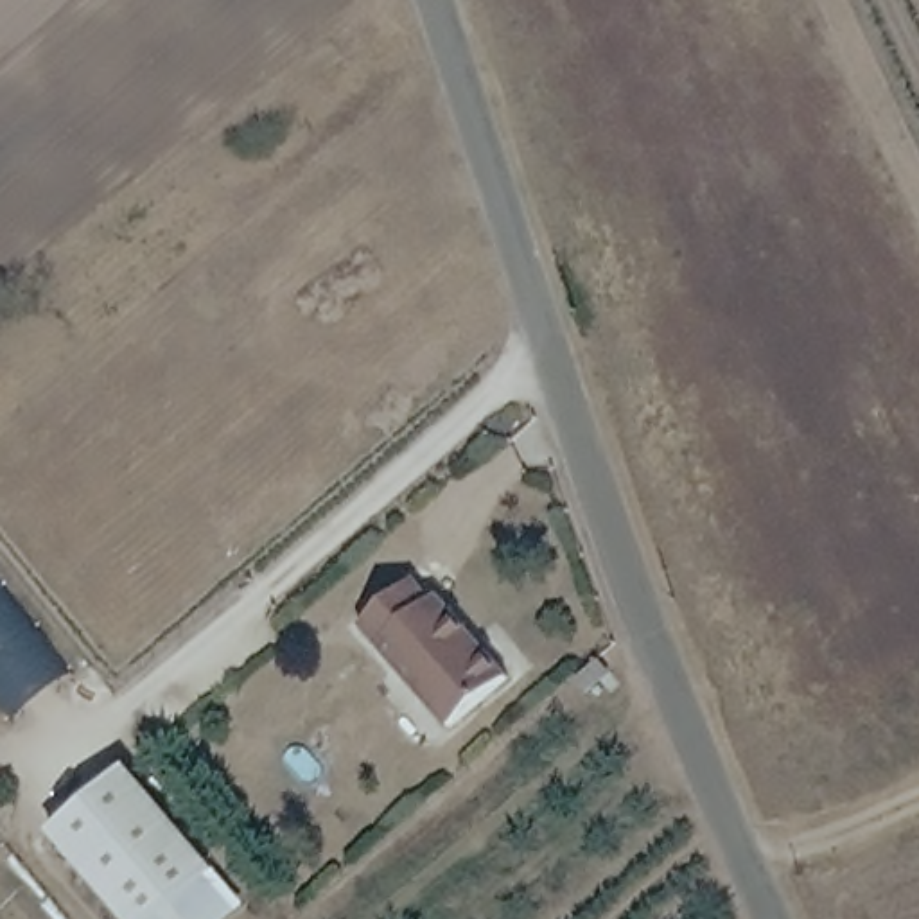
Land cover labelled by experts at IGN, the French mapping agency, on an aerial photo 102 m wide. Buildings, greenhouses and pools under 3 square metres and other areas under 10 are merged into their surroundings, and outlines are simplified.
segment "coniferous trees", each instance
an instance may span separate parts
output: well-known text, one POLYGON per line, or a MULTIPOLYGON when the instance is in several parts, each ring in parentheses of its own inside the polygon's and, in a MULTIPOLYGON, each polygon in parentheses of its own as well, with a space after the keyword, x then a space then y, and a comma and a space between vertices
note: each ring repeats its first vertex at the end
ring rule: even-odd
POLYGON ((280 858, 280 840, 273 836, 258 836, 255 829, 248 829, 248 818, 255 811, 248 804, 248 793, 230 775, 226 761, 212 750, 208 743, 194 740, 187 750, 172 754, 158 732, 147 736, 151 754, 136 768, 147 772, 147 779, 162 775, 158 790, 169 797, 172 811, 194 829, 194 836, 208 851, 226 847, 226 872, 219 876, 233 890, 237 883, 244 883, 248 890, 266 897, 284 894, 284 883, 294 876, 294 869, 280 858))

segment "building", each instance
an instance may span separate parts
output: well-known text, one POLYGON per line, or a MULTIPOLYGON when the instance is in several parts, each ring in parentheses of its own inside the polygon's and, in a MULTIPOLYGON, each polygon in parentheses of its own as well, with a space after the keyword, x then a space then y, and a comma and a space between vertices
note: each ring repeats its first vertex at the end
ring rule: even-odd
POLYGON ((567 714, 574 714, 592 696, 614 689, 614 675, 607 675, 596 664, 585 668, 556 686, 556 700, 567 714))
POLYGON ((68 865, 93 887, 93 894, 115 912, 115 919, 226 919, 241 905, 233 890, 219 876, 197 858, 197 851, 136 786, 136 779, 122 765, 111 765, 86 786, 79 786, 43 822, 43 833, 57 844, 68 865))
POLYGON ((43 686, 65 675, 65 657, 54 650, 50 635, 36 628, 32 614, 18 603, 18 596, 11 596, 0 585, 0 718, 18 714, 25 700, 32 700, 43 686))
POLYGON ((488 725, 503 704, 492 693, 488 678, 506 671, 506 661, 488 643, 488 635, 442 582, 420 574, 416 567, 409 567, 402 582, 381 589, 366 610, 355 610, 355 617, 359 632, 381 650, 381 657, 420 696, 420 704, 463 736, 477 725, 488 725))

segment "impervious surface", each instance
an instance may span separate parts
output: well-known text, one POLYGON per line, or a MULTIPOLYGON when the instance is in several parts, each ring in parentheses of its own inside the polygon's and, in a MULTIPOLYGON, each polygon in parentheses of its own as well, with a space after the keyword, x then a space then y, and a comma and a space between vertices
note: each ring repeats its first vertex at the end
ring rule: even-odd
POLYGON ((531 675, 528 657, 503 628, 492 628, 488 635, 488 643, 506 661, 506 671, 488 678, 492 693, 503 704, 531 675))
POLYGON ((381 650, 359 632, 355 617, 345 625, 345 635, 384 678, 388 700, 398 707, 398 718, 406 718, 416 729, 416 736, 424 736, 431 747, 460 740, 463 736, 420 704, 420 696, 381 657, 381 650))
POLYGON ((718 750, 707 736, 707 725, 700 718, 696 696, 678 664, 678 653, 671 646, 671 635, 661 621, 610 467, 596 445, 596 431, 571 366, 571 352, 560 334, 542 269, 535 262, 531 237, 452 0, 416 0, 434 57, 442 65, 442 79, 460 122, 460 136, 470 154, 474 179, 495 226, 499 255, 513 287, 517 319, 524 334, 560 442, 582 495, 582 510, 596 535, 603 574, 614 589, 621 621, 628 628, 632 650, 639 657, 643 675, 650 678, 661 718, 700 797, 707 826, 722 844, 732 876, 740 880, 750 919, 786 919, 786 908, 765 865, 754 844, 729 790, 718 750))

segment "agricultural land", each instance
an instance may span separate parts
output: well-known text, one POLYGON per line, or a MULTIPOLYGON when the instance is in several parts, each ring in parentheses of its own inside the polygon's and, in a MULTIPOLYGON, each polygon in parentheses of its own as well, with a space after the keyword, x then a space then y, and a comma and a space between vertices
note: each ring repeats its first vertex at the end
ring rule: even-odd
POLYGON ((79 661, 90 661, 111 693, 122 693, 129 682, 147 675, 169 650, 183 646, 197 628, 219 617, 241 596, 241 589, 248 589, 251 578, 273 567, 334 510, 341 510, 363 485, 370 485, 395 456, 402 456, 427 427, 434 427, 452 406, 460 406, 499 363, 499 355, 506 352, 506 337, 524 334, 517 319, 513 287, 499 255, 495 226, 474 179, 470 154, 460 136, 460 122, 442 79, 442 65, 434 57, 416 0, 0 0, 0 262, 22 262, 25 280, 50 276, 50 291, 39 294, 39 312, 25 319, 7 319, 0 327, 0 585, 11 596, 18 596, 18 603, 32 614, 36 628, 50 635, 54 650, 65 657, 65 675, 79 661), (248 115, 273 108, 280 108, 291 118, 284 144, 276 144, 266 158, 237 158, 226 147, 223 133, 244 122, 248 115))
POLYGON ((0 865, 0 919, 47 919, 36 897, 0 865))
POLYGON ((858 808, 862 797, 883 793, 905 772, 919 768, 919 0, 452 0, 531 237, 535 262, 542 269, 560 334, 571 352, 571 366, 596 431, 596 445, 610 467, 661 621, 671 635, 671 646, 678 653, 678 664, 696 696, 700 718, 707 725, 707 736, 718 750, 729 790, 754 844, 761 836, 775 840, 836 822, 858 808), (564 298, 564 284, 556 276, 560 262, 571 262, 578 284, 589 291, 592 327, 585 330, 578 330, 571 305, 564 298))
POLYGON ((858 847, 833 847, 804 862, 765 865, 786 908, 786 919, 919 919, 919 815, 901 829, 887 829, 858 847))

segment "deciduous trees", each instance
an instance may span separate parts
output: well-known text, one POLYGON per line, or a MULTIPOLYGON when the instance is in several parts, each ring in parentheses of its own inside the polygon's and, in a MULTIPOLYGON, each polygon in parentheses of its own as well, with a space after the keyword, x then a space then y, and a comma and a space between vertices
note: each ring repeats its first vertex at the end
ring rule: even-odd
POLYGON ((39 294, 50 291, 50 276, 25 280, 22 262, 0 262, 0 327, 7 319, 25 319, 39 312, 39 294))
POLYGON ((621 919, 736 919, 729 890, 707 876, 707 858, 689 854, 661 883, 643 890, 621 919))
POLYGON ((614 854, 621 847, 621 836, 635 833, 653 818, 653 790, 635 786, 625 793, 621 808, 585 822, 585 854, 614 854))
POLYGON ((294 876, 309 880, 309 872, 319 869, 327 858, 319 851, 323 833, 298 793, 284 793, 280 818, 287 829, 273 836, 280 840, 280 858, 294 869, 294 876))
POLYGON ((208 700, 205 693, 183 714, 169 718, 165 732, 158 732, 172 754, 187 750, 194 740, 208 743, 212 750, 230 736, 226 704, 208 700))
POLYGON ((546 635, 571 635, 571 607, 564 600, 542 600, 535 610, 535 625, 546 635))
POLYGON ((284 625, 276 632, 273 643, 276 664, 280 671, 302 678, 316 671, 319 639, 305 621, 284 625))
POLYGON ((628 747, 621 740, 600 740, 564 779, 553 754, 574 740, 574 714, 567 714, 556 700, 549 704, 549 714, 538 722, 538 729, 513 740, 506 754, 528 775, 535 768, 549 775, 538 801, 553 815, 574 815, 582 793, 600 793, 603 783, 621 775, 628 761, 628 747))
POLYGON ((556 556, 556 549, 546 538, 524 549, 521 556, 499 560, 499 578, 521 582, 524 574, 546 574, 556 556))
POLYGON ((689 818, 675 818, 621 872, 603 880, 564 919, 592 919, 635 876, 657 865, 693 833, 689 818))

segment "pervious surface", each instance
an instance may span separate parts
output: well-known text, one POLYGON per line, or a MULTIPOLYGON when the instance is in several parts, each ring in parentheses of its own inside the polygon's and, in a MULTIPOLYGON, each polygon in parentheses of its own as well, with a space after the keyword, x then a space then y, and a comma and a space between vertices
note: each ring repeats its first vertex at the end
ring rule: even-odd
POLYGON ((237 883, 233 890, 241 905, 226 919, 330 919, 348 901, 355 880, 381 869, 391 847, 427 818, 420 804, 348 869, 334 872, 309 905, 294 905, 294 897, 284 894, 266 897, 248 890, 244 883, 237 883))
POLYGON ((169 797, 158 790, 162 775, 147 779, 147 772, 136 768, 151 754, 147 736, 158 732, 165 732, 169 718, 183 714, 205 693, 223 678, 226 668, 241 664, 258 646, 273 643, 276 632, 266 610, 309 571, 316 571, 355 528, 363 528, 373 513, 388 510, 395 495, 420 481, 438 460, 445 460, 488 413, 495 413, 503 402, 531 402, 535 416, 485 467, 445 485, 420 513, 424 560, 416 567, 420 574, 442 582, 452 578, 481 546, 492 549, 495 503, 521 481, 524 467, 538 467, 546 452, 560 442, 524 334, 506 337, 506 352, 499 355, 499 363, 460 406, 452 406, 434 427, 427 427, 402 456, 395 456, 370 485, 363 485, 341 510, 334 510, 273 567, 251 578, 248 589, 241 589, 241 596, 219 617, 197 628, 183 646, 169 650, 147 675, 129 682, 122 693, 111 693, 90 661, 79 661, 65 675, 43 686, 32 700, 25 700, 18 714, 0 718, 0 865, 36 897, 47 919, 115 919, 115 912, 93 894, 93 887, 68 865, 57 844, 43 833, 43 822, 79 786, 86 786, 111 765, 122 765, 136 779, 136 786, 197 851, 197 858, 219 876, 226 872, 226 847, 208 851, 194 836, 194 829, 172 811, 169 797))
POLYGON ((905 772, 883 793, 862 797, 858 808, 836 822, 775 840, 761 836, 754 844, 765 865, 804 862, 833 847, 858 847, 887 829, 901 829, 919 815, 919 768, 905 772))

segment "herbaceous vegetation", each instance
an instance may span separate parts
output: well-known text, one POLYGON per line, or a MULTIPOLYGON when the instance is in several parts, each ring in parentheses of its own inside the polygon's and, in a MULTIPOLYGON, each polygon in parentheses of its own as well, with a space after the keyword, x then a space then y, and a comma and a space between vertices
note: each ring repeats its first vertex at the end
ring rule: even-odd
POLYGON ((621 740, 628 747, 628 761, 621 775, 603 783, 600 793, 582 793, 574 815, 553 815, 538 801, 549 775, 535 768, 528 775, 506 754, 513 740, 538 729, 538 722, 549 714, 549 704, 556 700, 556 686, 546 696, 538 696, 517 722, 510 722, 477 757, 460 754, 460 740, 431 747, 424 736, 416 736, 416 729, 406 718, 398 718, 398 707, 388 700, 384 678, 345 635, 345 625, 355 617, 355 610, 366 610, 381 589, 402 582, 409 567, 416 567, 424 560, 420 513, 406 517, 337 585, 330 585, 309 607, 305 621, 319 639, 316 671, 302 678, 280 671, 276 664, 255 671, 237 693, 230 693, 226 704, 230 736, 212 750, 226 761, 230 775, 248 793, 248 804, 255 811, 248 818, 248 829, 255 829, 258 836, 273 836, 287 829, 280 818, 284 793, 298 793, 323 833, 319 851, 327 858, 337 858, 345 844, 366 822, 377 818, 377 811, 402 786, 420 783, 434 768, 449 772, 449 783, 420 804, 427 818, 391 847, 381 869, 355 880, 348 901, 330 919, 564 919, 603 880, 621 872, 675 818, 689 818, 693 833, 657 865, 635 876, 592 919, 621 919, 643 890, 661 883, 689 854, 707 858, 707 876, 729 890, 736 919, 750 919, 740 880, 732 876, 722 844, 707 826, 700 797, 661 718, 650 678, 643 675, 639 657, 632 650, 628 628, 621 621, 614 589, 603 574, 596 535, 582 510, 582 495, 560 442, 546 452, 538 467, 524 467, 521 481, 495 503, 492 549, 481 546, 452 578, 442 582, 488 635, 492 628, 503 628, 528 657, 531 675, 546 671, 564 653, 578 653, 585 668, 596 664, 607 675, 614 675, 614 689, 592 696, 574 714, 574 740, 553 754, 564 779, 600 740, 621 740), (546 574, 524 574, 521 582, 499 578, 499 560, 521 556, 524 549, 546 538, 546 528, 531 521, 542 510, 567 506, 582 560, 603 607, 603 625, 592 625, 571 582, 567 556, 556 556, 546 574), (564 600, 571 607, 571 635, 546 635, 535 625, 535 610, 542 600, 564 600), (614 854, 585 854, 585 822, 621 808, 625 793, 635 786, 653 790, 653 818, 635 833, 621 836, 621 847, 614 854))

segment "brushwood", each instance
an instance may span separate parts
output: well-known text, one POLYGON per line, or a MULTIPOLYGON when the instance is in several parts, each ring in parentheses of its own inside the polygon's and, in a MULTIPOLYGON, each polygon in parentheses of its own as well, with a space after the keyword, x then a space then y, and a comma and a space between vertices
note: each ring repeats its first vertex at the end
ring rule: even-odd
POLYGON ((273 108, 248 115, 244 122, 223 133, 226 147, 237 158, 266 158, 276 144, 284 144, 291 118, 280 108, 273 108))
POLYGON ((578 330, 585 330, 592 327, 589 291, 578 284, 571 262, 560 262, 556 276, 564 284, 564 298, 571 305, 578 330))
POLYGON ((284 625, 305 621, 309 607, 330 585, 337 585, 406 517, 420 513, 445 485, 485 467, 535 416, 531 402, 503 402, 495 413, 488 413, 445 460, 438 460, 420 481, 395 495, 388 510, 373 513, 363 528, 355 528, 316 571, 309 571, 266 610, 276 632, 284 625))
POLYGON ((434 768, 420 783, 402 786, 377 811, 377 818, 366 822, 345 844, 337 858, 327 858, 319 869, 309 872, 309 880, 294 876, 284 883, 284 894, 294 897, 294 905, 309 905, 334 872, 348 869, 420 804, 449 783, 449 772, 434 768))
POLYGON ((510 722, 517 722, 538 696, 546 696, 556 686, 585 668, 578 653, 564 653, 546 671, 531 675, 503 704, 488 725, 477 725, 463 736, 460 740, 460 754, 477 757, 510 722))
POLYGON ((258 646, 241 664, 226 668, 223 678, 205 693, 208 700, 226 704, 230 693, 237 693, 255 671, 276 664, 273 643, 258 646))
POLYGON ((567 556, 571 582, 592 625, 603 625, 603 607, 582 560, 567 506, 542 510, 531 521, 546 528, 546 538, 556 549, 556 556, 567 556))

